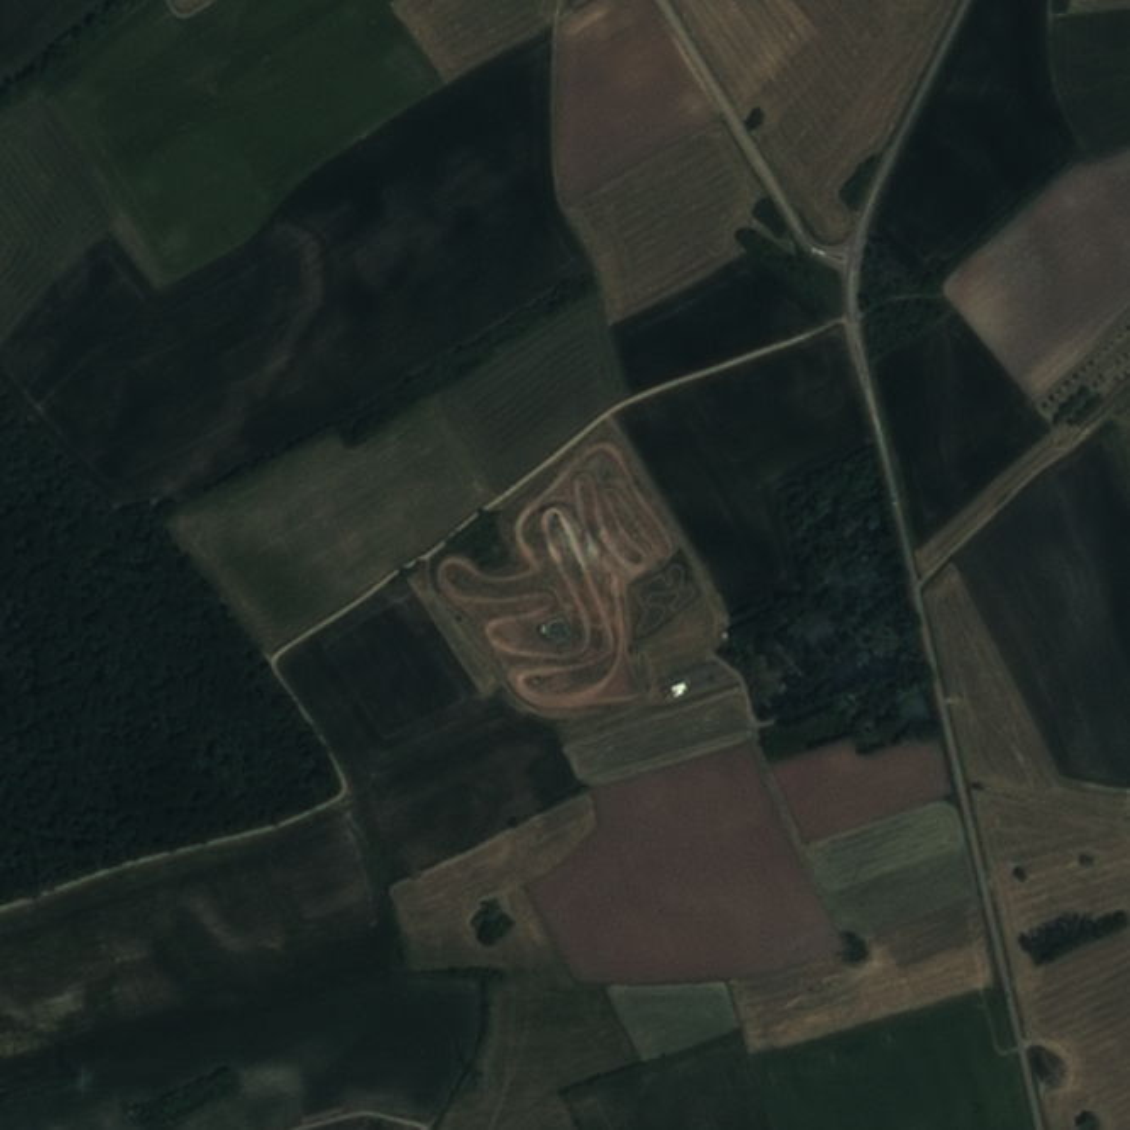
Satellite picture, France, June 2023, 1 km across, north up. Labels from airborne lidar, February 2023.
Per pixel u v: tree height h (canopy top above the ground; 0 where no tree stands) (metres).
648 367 0
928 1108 0
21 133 0
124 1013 0
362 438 7
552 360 0
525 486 0
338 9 0
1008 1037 0
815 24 0
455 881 0
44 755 22
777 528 0
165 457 0
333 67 0
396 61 0
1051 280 0
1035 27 0
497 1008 0
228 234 0
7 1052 0
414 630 0
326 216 0
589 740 0
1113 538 0
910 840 0
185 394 0
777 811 0
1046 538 0
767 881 0
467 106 0
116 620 23
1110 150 0
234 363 0
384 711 0
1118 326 0
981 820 0
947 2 0
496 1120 0
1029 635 0
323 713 0
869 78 0
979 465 0
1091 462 0
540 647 0
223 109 0
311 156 0
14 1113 0
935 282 8
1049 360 0
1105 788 0
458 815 0
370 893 0
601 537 0
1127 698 0
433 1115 0
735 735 0
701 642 0
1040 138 0
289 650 0
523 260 0
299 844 0
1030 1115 0
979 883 0
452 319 0
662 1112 0
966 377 0
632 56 0
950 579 0
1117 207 0
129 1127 0
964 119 0
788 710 26
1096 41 0
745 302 0
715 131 0
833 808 0
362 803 0
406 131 0
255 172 0
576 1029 0
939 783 0
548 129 0
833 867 0
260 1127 0
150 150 0
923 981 0
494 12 0
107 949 0
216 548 0
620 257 0
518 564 0
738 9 0
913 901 0
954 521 0
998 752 0
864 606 31
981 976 0
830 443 0
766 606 7
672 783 0
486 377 0
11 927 0
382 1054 0
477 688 0
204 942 0
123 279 0
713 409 0
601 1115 0
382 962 0
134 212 0
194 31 0
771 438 0
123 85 0
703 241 0
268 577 0
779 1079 0
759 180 0
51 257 0
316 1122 0
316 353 0
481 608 0
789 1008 0
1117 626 0
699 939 0
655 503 0
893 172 0
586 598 0
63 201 0
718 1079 0
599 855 0
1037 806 0
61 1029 0
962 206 0
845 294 0
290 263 0
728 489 0
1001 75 0
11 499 23
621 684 0
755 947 0
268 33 0
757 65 0
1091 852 0
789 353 0
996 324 0
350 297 0
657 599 0
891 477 0
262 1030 0
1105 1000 0
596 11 0
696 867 0
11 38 0
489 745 0
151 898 0
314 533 0
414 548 0
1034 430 0
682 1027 0
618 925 0
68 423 0
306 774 18
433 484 0
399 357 0
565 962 0
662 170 0
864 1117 0
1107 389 0
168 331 0
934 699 14
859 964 0
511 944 0
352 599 0
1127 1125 0
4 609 21
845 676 0
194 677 18
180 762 22
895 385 0
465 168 0
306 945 0
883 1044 0
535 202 0
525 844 0
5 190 0
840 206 0
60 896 0
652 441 0
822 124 0
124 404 0
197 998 0
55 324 0
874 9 0
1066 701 0
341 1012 0
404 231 0
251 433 0
